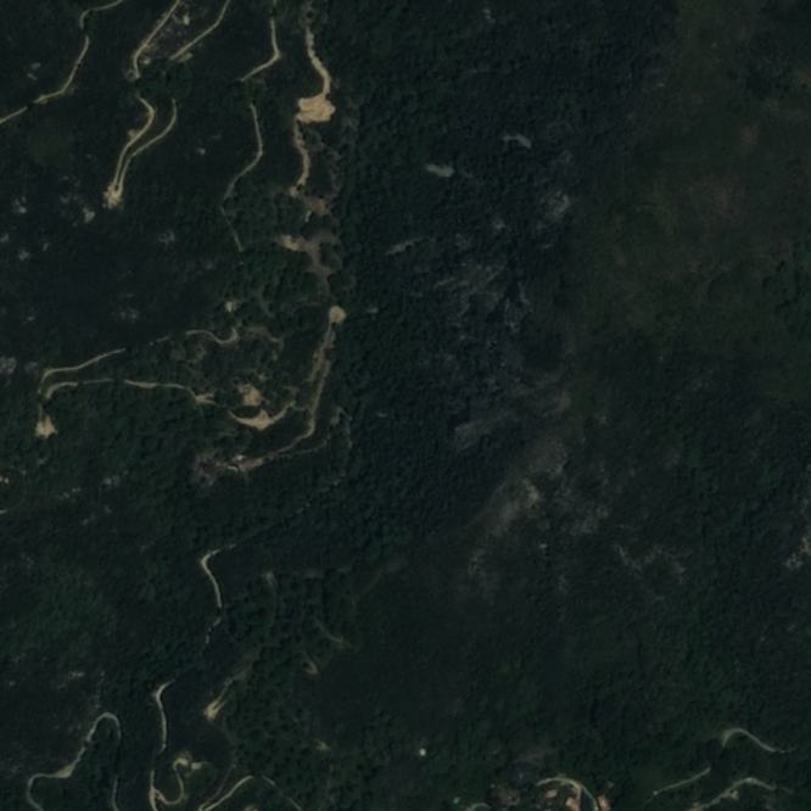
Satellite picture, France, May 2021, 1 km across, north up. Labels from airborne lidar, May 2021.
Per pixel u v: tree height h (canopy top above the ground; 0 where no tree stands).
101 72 8
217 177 10
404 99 9
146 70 10
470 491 7
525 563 5
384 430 9
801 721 8
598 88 11
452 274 8
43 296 7
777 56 7
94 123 8
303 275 16
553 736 11
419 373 6
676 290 6
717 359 7
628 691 7
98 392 9
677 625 10
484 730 22
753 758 6
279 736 20
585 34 8
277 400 10
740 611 9
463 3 10
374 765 20
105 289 7
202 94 6
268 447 11
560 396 0
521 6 8
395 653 6
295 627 9
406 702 5
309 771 15
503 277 8
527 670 13
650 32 8
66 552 9
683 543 16
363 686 8
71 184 6
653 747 10
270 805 19
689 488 19
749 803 6
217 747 6
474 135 6
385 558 16
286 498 19
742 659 15
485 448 11
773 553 12
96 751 23
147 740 7
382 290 12
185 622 7
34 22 6
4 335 9
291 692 10
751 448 8
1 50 6
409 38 6
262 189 22
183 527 20
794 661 13
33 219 7
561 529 7
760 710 9
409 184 8
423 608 8
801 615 12
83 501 9
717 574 12
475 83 7
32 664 8
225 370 16
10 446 20
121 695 21
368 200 13
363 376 18
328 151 12
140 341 8
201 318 9
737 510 15
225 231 11
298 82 7
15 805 12
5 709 7
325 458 6
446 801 8
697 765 18
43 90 8
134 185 15
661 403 8
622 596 9
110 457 16
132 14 7
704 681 8
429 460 9
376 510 8
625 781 6
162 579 17
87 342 6
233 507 11
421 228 7
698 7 0
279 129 10
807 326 23
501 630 8
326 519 8
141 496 14
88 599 26
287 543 7
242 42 7
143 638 6
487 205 6
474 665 10
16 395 7
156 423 14
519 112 7
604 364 7
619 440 6
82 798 21
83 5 10
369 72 9
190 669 9
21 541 13
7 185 6
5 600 7
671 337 6
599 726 22
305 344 8
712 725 10
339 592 16
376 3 6
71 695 5
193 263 11
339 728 13
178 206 19
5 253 7
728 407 11
